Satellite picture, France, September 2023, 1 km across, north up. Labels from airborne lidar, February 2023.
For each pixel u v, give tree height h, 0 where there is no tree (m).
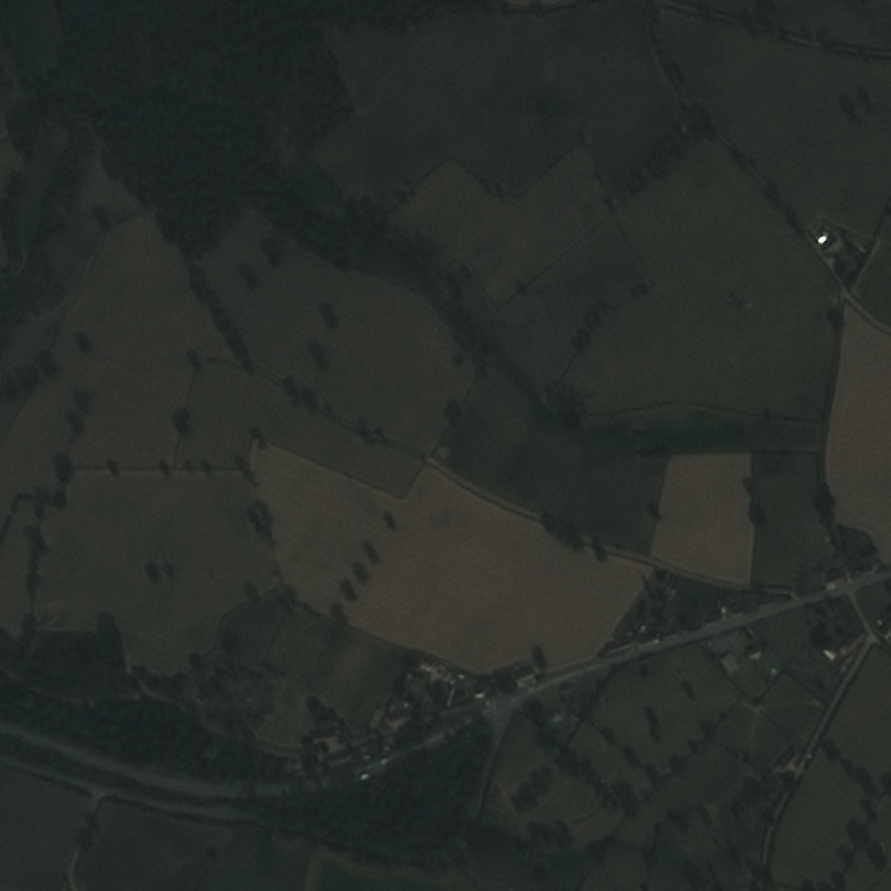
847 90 0
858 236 0
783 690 0
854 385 0
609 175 0
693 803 0
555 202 0
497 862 0
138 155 20
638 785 0
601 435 0
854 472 0
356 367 0
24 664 16
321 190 0
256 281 15
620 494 0
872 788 16
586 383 0
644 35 0
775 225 0
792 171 0
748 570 0
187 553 0
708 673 0
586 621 0
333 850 13
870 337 0
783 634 0
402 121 0
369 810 22
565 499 0
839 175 0
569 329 0
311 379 0
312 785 0
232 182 8
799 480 0
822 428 0
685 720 0
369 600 0
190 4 22
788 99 0
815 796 0
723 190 0
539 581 0
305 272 0
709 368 0
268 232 0
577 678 0
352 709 0
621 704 0
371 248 0
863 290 0
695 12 0
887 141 0
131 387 0
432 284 0
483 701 0
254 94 18
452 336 0
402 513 0
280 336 0
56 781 9
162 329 0
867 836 16
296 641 0
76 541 0
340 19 21
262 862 0
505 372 0
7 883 0
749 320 0
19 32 0
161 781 0
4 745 8
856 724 0
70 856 0
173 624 0
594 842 0
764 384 0
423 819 19
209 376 0
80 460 0
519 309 0
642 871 0
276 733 0
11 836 0
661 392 0
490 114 0
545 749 16
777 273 0
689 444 0
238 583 0
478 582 0
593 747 0
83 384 0
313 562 0
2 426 0
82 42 19
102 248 0
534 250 0
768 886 14
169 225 19
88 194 0
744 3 0
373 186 0
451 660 0
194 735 19
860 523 0
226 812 0
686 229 0
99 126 14
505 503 0
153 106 21
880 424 0
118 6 19
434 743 0
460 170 0
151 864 0
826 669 0
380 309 0
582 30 0
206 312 0
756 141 0
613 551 0
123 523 0
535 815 0
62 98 17
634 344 0
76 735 18
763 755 0
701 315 0
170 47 19
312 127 16
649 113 0
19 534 0
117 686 7
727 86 0
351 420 0
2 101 0
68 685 6
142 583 0
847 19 0
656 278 0
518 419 0
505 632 0
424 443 0
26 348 0
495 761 0
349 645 0
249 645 0
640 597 0
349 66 0
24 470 0
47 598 0
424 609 0
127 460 0
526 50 0
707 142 0
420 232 0
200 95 0
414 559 0
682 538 0
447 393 0
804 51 0
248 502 0
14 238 15
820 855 0
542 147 0
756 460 0
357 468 0
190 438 0
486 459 0
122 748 14
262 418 0
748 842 0
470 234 0
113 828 0
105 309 0
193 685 0
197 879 0
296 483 0
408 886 0
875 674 0
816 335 0
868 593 0
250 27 21
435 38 0
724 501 0
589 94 0
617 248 0
